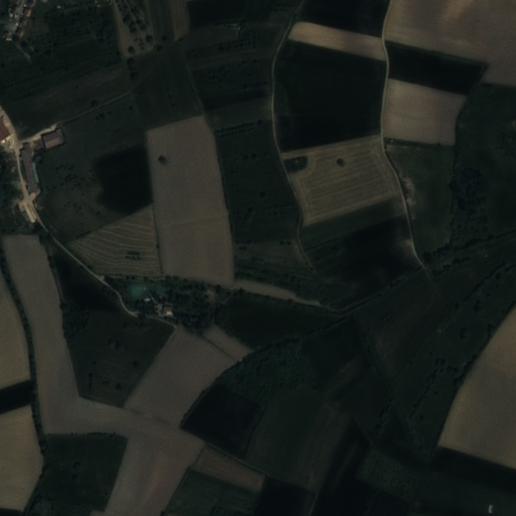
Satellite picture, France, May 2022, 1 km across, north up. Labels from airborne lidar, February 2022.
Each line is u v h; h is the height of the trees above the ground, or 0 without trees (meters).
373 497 0
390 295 0
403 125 0
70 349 0
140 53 0
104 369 0
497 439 0
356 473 0
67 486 0
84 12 0
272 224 0
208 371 0
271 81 0
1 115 0
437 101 0
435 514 0
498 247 0
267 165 0
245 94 0
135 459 0
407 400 0
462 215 7
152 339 0
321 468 0
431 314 0
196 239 0
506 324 0
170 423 0
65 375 0
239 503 0
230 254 0
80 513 0
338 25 0
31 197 0
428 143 0
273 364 16
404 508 0
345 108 0
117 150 0
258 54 0
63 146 0
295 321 0
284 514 0
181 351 0
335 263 0
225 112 0
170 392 0
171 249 0
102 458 0
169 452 0
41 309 0
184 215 0
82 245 0
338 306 0
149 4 0
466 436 0
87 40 0
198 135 0
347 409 0
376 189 0
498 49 0
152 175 0
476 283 0
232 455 0
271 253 0
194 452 0
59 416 0
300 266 0
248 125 6
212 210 0
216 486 0
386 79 0
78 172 0
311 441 0
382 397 0
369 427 0
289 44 0
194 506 0
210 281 0
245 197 0
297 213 0
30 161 0
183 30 0
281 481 0
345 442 0
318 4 0
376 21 0
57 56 0
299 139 0
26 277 0
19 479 0
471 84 0
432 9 0
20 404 0
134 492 0
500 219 0
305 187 0
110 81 0
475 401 0
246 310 0
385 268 0
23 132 0
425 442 0
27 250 0
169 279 11
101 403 0
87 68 0
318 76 0
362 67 0
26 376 0
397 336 0
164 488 0
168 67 0
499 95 0
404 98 0
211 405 0
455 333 0
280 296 0
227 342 0
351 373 0
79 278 0
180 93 0
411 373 0
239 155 0
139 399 0
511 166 0
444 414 0
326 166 0
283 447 0
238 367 10
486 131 0
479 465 0
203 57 0
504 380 0
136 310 12
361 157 0
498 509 0
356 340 0
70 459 0
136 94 0
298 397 0
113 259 0
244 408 0
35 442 0
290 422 0
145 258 0
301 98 0
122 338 0
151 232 0
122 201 0
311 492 0
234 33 0
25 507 0
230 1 0
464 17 0
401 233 0
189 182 0
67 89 0
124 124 0
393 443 0
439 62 0
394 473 0
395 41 0
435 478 0
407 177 0
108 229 0
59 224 0
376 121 0
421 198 0
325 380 0
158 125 0
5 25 0
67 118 0
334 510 0
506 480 0
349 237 0
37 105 0
